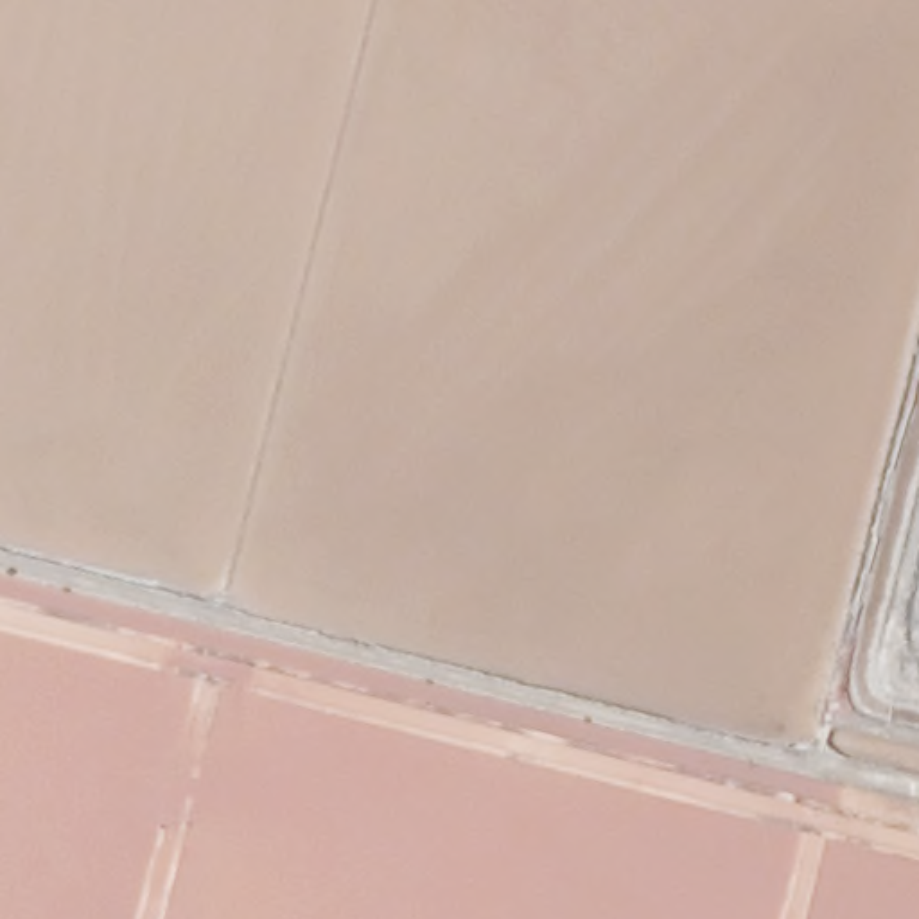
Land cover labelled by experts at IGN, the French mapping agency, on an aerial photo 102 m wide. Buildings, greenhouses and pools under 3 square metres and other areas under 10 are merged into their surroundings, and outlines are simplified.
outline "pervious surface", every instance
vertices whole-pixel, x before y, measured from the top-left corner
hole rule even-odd
[[[165,919],[187,840],[187,826],[172,826],[154,829],[133,919]]]
[[[370,747],[384,747],[409,757],[456,757],[460,750],[521,757],[553,772],[610,783],[661,801],[711,808],[740,818],[786,818],[793,826],[793,836],[815,836],[822,847],[833,840],[869,840],[876,851],[919,862],[919,287],[908,316],[905,352],[897,363],[897,381],[890,391],[872,477],[858,517],[858,535],[851,546],[844,600],[833,621],[833,646],[826,653],[822,671],[822,714],[815,718],[811,736],[804,736],[801,743],[754,743],[732,732],[693,729],[413,653],[330,639],[312,628],[266,621],[251,600],[230,592],[205,596],[197,585],[187,585],[176,596],[162,589],[158,578],[140,578],[72,556],[57,556],[50,564],[39,549],[25,546],[0,549],[0,574],[54,589],[39,610],[0,596],[0,653],[14,639],[32,639],[86,657],[144,668],[165,693],[187,704],[187,718],[205,729],[212,722],[215,689],[223,686],[223,664],[241,664],[251,668],[248,689],[255,696],[294,704],[309,718],[337,725]],[[499,725],[445,718],[420,707],[377,700],[373,693],[388,675],[438,682],[460,693],[517,707],[589,718],[607,729],[639,732],[661,743],[725,754],[740,761],[757,761],[797,775],[829,775],[844,786],[840,801],[851,815],[833,818],[822,808],[797,804],[793,793],[761,797],[732,783],[675,775],[657,768],[653,761],[603,757],[592,750],[567,747],[560,736],[549,732],[506,732]]]

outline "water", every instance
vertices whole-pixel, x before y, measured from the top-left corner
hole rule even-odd
[[[409,757],[384,747],[370,747],[337,725],[309,718],[294,704],[255,696],[248,689],[251,668],[241,664],[223,664],[223,686],[215,689],[212,722],[205,729],[187,718],[187,704],[165,693],[144,668],[86,657],[32,639],[14,639],[0,653],[0,919],[133,919],[154,829],[172,826],[187,826],[187,840],[165,919],[919,919],[919,862],[876,851],[869,840],[833,840],[822,847],[815,836],[793,836],[793,826],[786,818],[740,818],[711,808],[661,801],[610,783],[553,772],[521,757],[460,750],[456,757]]]
[[[158,578],[162,589],[176,596],[187,585],[197,585],[205,596],[230,592],[251,600],[266,621],[312,628],[330,639],[413,653],[693,729],[732,732],[754,743],[801,743],[804,736],[811,736],[815,718],[822,714],[822,671],[826,653],[833,646],[833,621],[844,600],[851,546],[858,535],[858,517],[872,477],[890,391],[897,381],[897,363],[905,352],[908,316],[919,287],[919,0],[0,0],[0,549],[25,546],[39,549],[50,564],[57,556],[72,556],[140,578]]]
[[[0,596],[39,610],[54,589],[0,574]]]
[[[438,682],[388,675],[373,693],[377,700],[420,707],[445,718],[499,725],[506,732],[549,732],[560,736],[567,747],[592,750],[603,757],[653,761],[657,768],[675,775],[732,783],[761,797],[793,793],[797,804],[822,808],[833,818],[851,815],[840,801],[844,786],[829,775],[797,775],[757,761],[740,761],[725,754],[661,743],[639,732],[607,729],[589,718],[517,707],[460,693]]]

